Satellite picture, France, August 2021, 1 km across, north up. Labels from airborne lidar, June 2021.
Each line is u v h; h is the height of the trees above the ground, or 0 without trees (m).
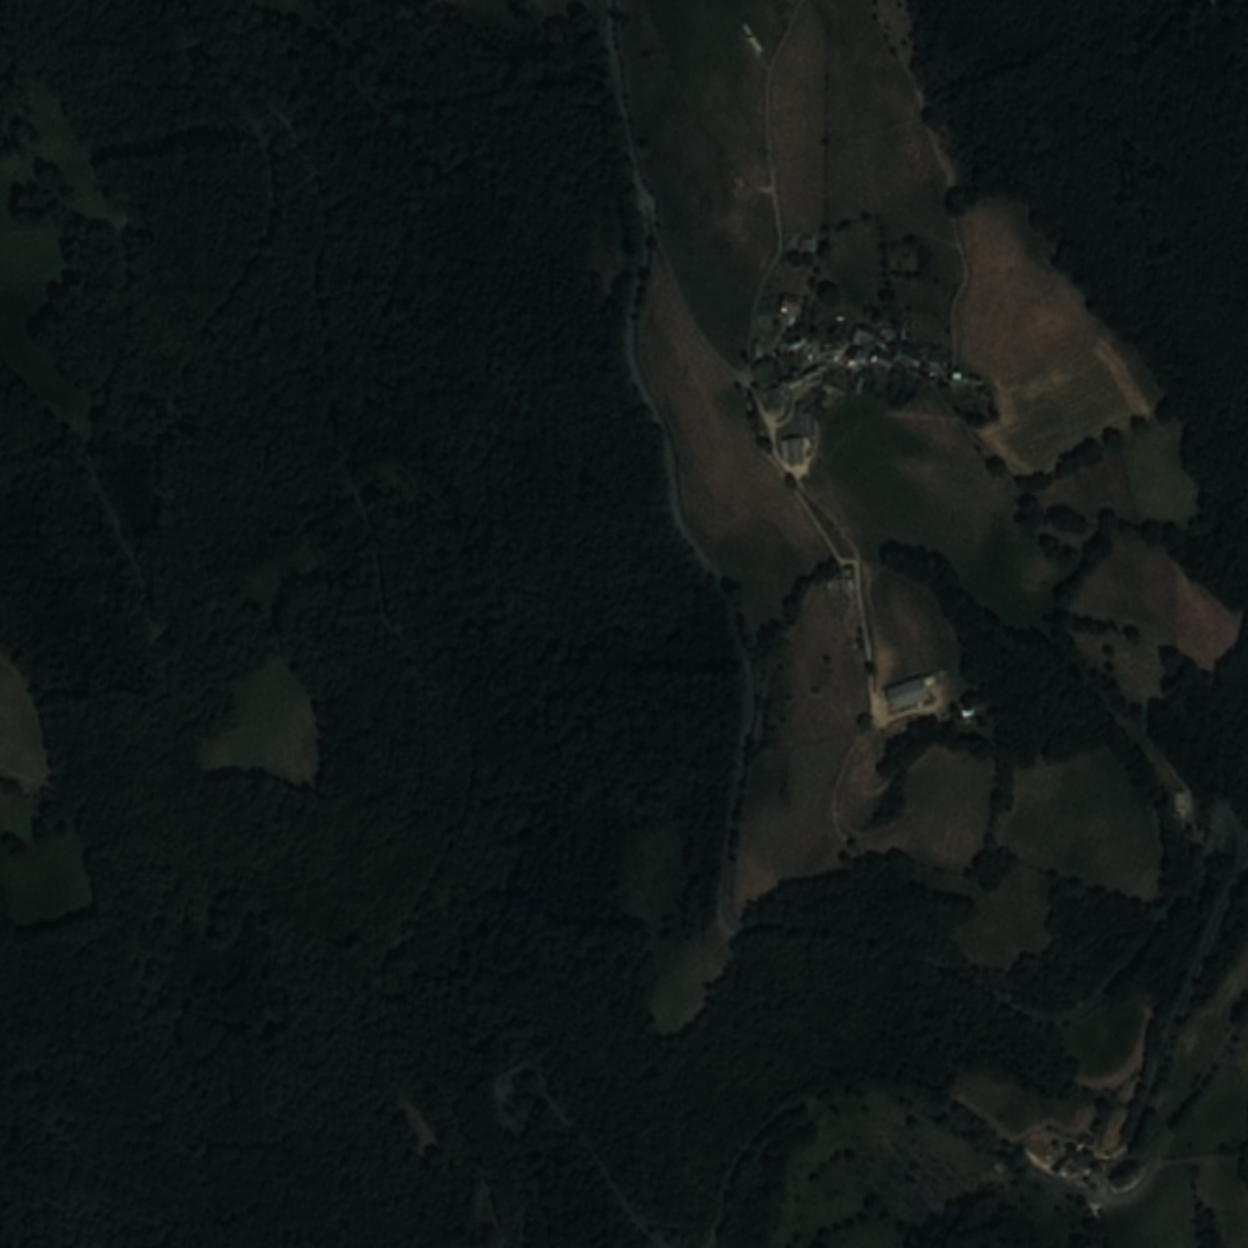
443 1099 21
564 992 21
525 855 14
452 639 24
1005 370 0
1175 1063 11
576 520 19
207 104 28
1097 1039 0
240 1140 19
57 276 0
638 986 16
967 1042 16
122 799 19
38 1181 16
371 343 30
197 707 25
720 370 0
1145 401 0
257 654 18
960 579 22
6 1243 16
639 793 12
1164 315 16
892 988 13
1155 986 12
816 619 0
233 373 23
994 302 0
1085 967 13
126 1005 14
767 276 0
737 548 0
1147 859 0
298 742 0
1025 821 0
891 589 0
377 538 16
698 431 0
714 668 15
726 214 0
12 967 21
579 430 20
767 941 21
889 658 0
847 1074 20
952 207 15
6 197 0
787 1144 25
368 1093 24
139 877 19
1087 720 24
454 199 16
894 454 0
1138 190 18
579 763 25
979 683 12
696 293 0
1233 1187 0
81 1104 20
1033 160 20
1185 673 21
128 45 25
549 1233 19
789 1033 14
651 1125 20
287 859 17
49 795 9
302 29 20
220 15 30
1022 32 19
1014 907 0
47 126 0
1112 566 0
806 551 0
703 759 22
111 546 12
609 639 23
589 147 18
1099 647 0
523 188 25
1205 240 21
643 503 17
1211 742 20
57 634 8
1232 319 23
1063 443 0
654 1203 15
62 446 21
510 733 29
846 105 0
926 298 0
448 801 24
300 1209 21
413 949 22
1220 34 18
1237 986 0
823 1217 0
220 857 24
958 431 0
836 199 0
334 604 18
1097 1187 7
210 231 22
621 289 13
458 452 17
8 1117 20
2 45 25
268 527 22
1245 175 17
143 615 21
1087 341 0
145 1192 22
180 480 24
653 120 0
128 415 23
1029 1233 8
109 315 19
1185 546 9
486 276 15
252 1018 17
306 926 18
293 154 25
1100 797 0
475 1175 18
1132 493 0
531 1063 19
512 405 15
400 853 17
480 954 26
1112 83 30
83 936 23
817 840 0
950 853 0
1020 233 0
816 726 0
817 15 0
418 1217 20
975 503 0
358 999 21
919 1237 11
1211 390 17
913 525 0
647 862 0
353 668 22
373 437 19
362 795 16
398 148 28
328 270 23
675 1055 18
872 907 15
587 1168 18
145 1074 21
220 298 23
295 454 22
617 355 15
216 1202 24
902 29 0
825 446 0
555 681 24
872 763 0
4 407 25
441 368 17
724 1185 15
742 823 8
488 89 16
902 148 0
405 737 17
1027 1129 0
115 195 19
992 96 19
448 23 18
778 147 0
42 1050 17
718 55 0
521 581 17
